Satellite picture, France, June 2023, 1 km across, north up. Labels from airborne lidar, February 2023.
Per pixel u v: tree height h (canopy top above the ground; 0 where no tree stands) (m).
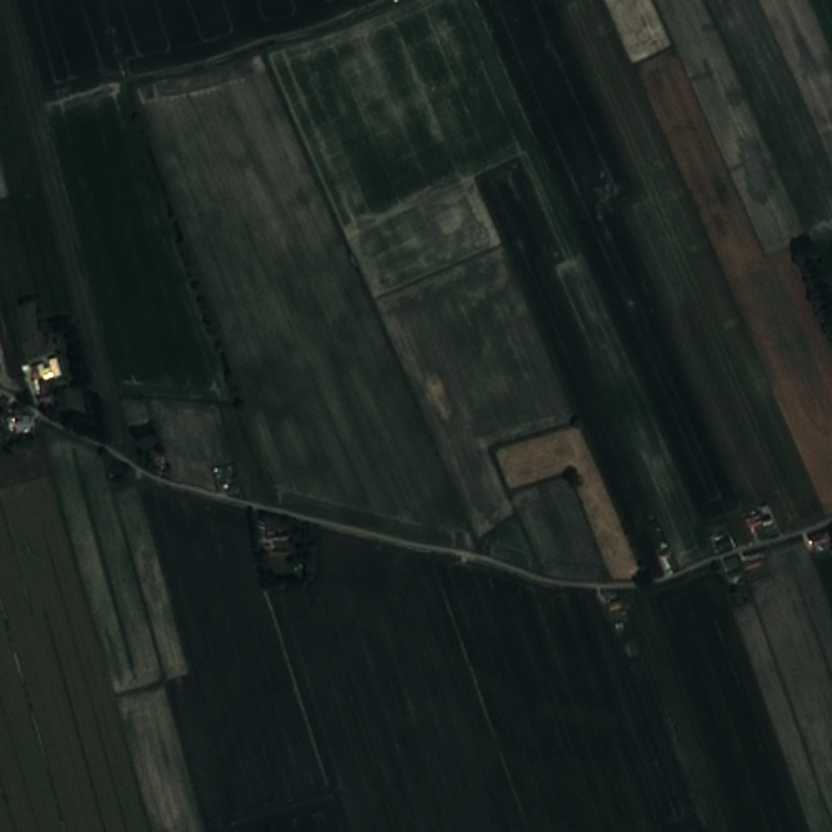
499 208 0
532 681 0
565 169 0
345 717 0
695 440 0
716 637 0
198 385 0
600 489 0
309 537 8
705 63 0
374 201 0
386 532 0
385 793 0
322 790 0
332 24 0
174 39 0
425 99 0
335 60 0
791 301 0
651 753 0
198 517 0
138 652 0
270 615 0
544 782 0
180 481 0
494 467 0
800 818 0
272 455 0
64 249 0
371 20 0
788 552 0
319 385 0
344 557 0
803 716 0
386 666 0
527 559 0
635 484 0
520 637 0
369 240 0
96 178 0
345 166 0
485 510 0
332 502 0
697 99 0
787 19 0
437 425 0
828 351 0
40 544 0
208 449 0
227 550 0
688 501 0
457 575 0
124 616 0
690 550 0
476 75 0
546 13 0
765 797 0
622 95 0
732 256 0
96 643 0
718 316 0
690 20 0
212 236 0
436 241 0
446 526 0
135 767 0
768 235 0
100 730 0
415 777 0
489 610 0
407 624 0
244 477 0
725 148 0
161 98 0
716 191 0
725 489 0
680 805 0
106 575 0
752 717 0
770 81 0
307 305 0
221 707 0
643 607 0
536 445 0
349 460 0
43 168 0
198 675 0
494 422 0
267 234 0
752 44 0
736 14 0
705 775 0
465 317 0
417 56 0
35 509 0
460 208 0
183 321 0
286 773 0
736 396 0
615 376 0
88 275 0
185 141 0
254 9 0
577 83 0
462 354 0
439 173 0
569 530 0
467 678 0
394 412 0
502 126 0
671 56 0
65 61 0
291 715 0
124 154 0
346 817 0
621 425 0
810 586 0
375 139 0
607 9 0
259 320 0
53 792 0
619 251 0
